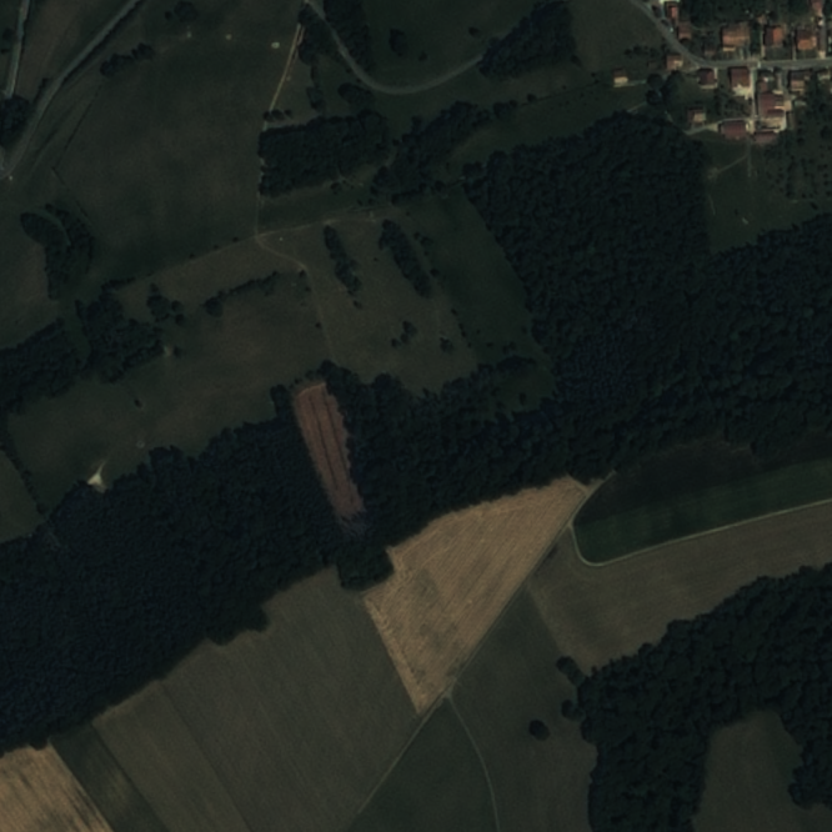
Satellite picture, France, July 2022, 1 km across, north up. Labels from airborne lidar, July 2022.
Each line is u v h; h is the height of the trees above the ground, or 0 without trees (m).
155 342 8
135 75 0
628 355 25
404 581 0
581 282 23
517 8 0
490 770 0
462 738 0
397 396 29
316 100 16
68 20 0
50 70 0
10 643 29
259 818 0
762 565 0
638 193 27
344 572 10
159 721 0
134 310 0
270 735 0
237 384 0
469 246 0
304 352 0
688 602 0
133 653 24
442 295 0
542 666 0
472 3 0
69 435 0
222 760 0
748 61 0
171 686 0
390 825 0
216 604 25
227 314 0
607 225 28
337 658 0
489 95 0
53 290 11
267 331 0
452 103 0
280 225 0
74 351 13
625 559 0
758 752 0
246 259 0
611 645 0
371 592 0
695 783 27
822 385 32
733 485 0
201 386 0
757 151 0
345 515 0
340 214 0
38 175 0
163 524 18
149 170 0
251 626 17
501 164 23
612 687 8
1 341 0
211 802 0
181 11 15
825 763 30
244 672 0
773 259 28
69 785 0
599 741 17
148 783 0
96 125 0
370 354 0
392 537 19
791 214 0
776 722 0
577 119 0
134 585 22
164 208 0
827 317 27
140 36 0
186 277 0
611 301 13
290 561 20
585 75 0
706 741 25
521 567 0
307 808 0
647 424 20
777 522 0
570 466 16
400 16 0
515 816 0
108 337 22
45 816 0
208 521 24
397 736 0
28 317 0
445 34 0
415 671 0
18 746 15
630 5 0
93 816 0
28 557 20
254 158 0
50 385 23
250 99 0
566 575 0
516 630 0
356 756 0
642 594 0
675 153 26
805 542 0
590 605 0
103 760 0
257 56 0
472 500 15
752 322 35
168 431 0
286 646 0
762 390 36
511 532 0
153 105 0
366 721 0
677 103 11
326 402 0
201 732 0
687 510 0
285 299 0
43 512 15
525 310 0
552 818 0
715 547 0
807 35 0
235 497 21
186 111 0
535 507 0
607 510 0
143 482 15
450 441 12
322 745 0
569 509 0
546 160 20
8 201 0
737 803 0
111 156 0
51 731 13
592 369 26
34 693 31
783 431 24
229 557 30
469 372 0
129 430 0
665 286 26
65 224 16
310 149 21
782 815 0
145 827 0
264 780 0
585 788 0
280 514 17
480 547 0
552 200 10
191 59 0
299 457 24
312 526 17
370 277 0
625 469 20
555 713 0
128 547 22
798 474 0
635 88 0
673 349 27
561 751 0
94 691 16
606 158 24
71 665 18
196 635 15
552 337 27
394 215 0
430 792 0
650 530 0
